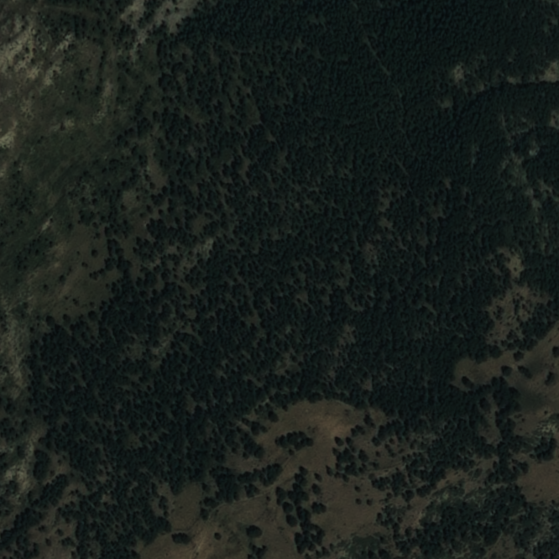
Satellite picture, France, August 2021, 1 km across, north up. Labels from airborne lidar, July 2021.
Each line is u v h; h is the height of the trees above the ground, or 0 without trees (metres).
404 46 18
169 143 21
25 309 6
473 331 18
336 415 0
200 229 0
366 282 22
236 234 18
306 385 25
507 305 0
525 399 0
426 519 0
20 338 0
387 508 8
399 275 19
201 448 21
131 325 26
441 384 21
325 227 20
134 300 16
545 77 0
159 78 0
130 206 0
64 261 0
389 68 21
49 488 19
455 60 17
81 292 0
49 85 0
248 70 19
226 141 19
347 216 21
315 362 21
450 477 0
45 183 0
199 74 20
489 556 0
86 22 12
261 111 21
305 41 17
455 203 17
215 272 22
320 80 16
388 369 16
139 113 16
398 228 17
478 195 18
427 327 16
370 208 18
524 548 11
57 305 0
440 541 20
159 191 0
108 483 12
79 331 24
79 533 20
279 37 17
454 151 13
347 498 0
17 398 0
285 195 15
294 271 27
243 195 12
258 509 0
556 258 17
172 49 13
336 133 18
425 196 18
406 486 18
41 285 0
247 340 18
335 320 21
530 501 0
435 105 20
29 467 0
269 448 0
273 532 0
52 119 0
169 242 7
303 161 14
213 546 0
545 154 26
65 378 22
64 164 0
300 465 0
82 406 26
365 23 19
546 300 0
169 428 28
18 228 7
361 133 17
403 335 17
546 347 0
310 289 14
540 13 17
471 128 17
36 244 12
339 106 14
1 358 0
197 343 30
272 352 18
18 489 9
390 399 24
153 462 23
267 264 22
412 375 21
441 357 26
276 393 7
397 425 20
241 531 0
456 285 24
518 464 9
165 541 0
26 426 11
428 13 11
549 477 0
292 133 18
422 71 15
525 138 16
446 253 27
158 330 19
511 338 19
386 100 19
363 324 19
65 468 0
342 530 0
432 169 15
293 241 25
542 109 16
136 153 15
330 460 0
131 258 0
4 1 0
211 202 20
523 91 24
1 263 0
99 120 0
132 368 23
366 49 21
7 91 0
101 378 27
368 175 20
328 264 18
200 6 12
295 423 0
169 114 18
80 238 0
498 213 19
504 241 13
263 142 19
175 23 0
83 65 0
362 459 17
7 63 0
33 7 0
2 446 0
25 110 0
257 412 14
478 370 0
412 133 20
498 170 11
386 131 16
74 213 0
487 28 17
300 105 13
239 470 0
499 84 6
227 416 23
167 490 0
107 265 20
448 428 18
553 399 0
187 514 0
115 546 24
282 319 20
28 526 22
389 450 11
